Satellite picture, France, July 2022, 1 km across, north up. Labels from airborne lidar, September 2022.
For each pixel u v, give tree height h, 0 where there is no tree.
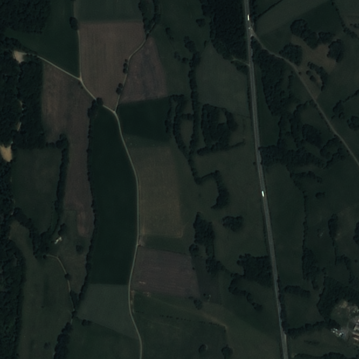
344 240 0
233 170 0
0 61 30
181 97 13
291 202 0
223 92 0
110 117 0
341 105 19
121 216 0
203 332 0
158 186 0
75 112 0
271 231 0
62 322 0
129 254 0
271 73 8
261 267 15
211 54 0
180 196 0
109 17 0
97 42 0
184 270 0
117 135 0
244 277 13
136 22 0
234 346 0
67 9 0
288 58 13
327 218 0
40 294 0
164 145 0
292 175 16
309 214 6
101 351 0
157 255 0
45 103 0
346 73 0
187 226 0
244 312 0
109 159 0
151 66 0
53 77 0
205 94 0
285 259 0
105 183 0
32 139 32
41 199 0
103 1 0
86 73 0
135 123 0
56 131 0
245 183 0
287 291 14
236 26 23
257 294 0
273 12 0
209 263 15
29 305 0
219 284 0
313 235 0
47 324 0
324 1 0
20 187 0
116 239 0
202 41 0
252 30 0
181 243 0
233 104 0
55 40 0
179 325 0
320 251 0
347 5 0
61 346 25
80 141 0
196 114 11
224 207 20
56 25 0
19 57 0
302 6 0
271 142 0
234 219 19
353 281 13
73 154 0
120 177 0
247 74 10
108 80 0
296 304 0
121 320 0
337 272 0
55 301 0
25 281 18
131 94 0
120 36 0
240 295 13
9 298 22
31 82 26
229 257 0
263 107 0
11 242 22
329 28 0
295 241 0
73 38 0
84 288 16
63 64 0
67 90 0
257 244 0
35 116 23
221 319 0
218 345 0
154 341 0
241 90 0
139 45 0
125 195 0
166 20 0
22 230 0
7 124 28
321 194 16
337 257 9
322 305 8
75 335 0
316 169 0
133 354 0
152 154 0
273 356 0
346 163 0
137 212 0
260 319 0
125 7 0
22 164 0
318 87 0
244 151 0
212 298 0
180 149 12
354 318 0
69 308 0
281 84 17
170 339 0
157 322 0
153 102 0
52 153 0
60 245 0
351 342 0
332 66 0
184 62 10
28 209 0
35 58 12
